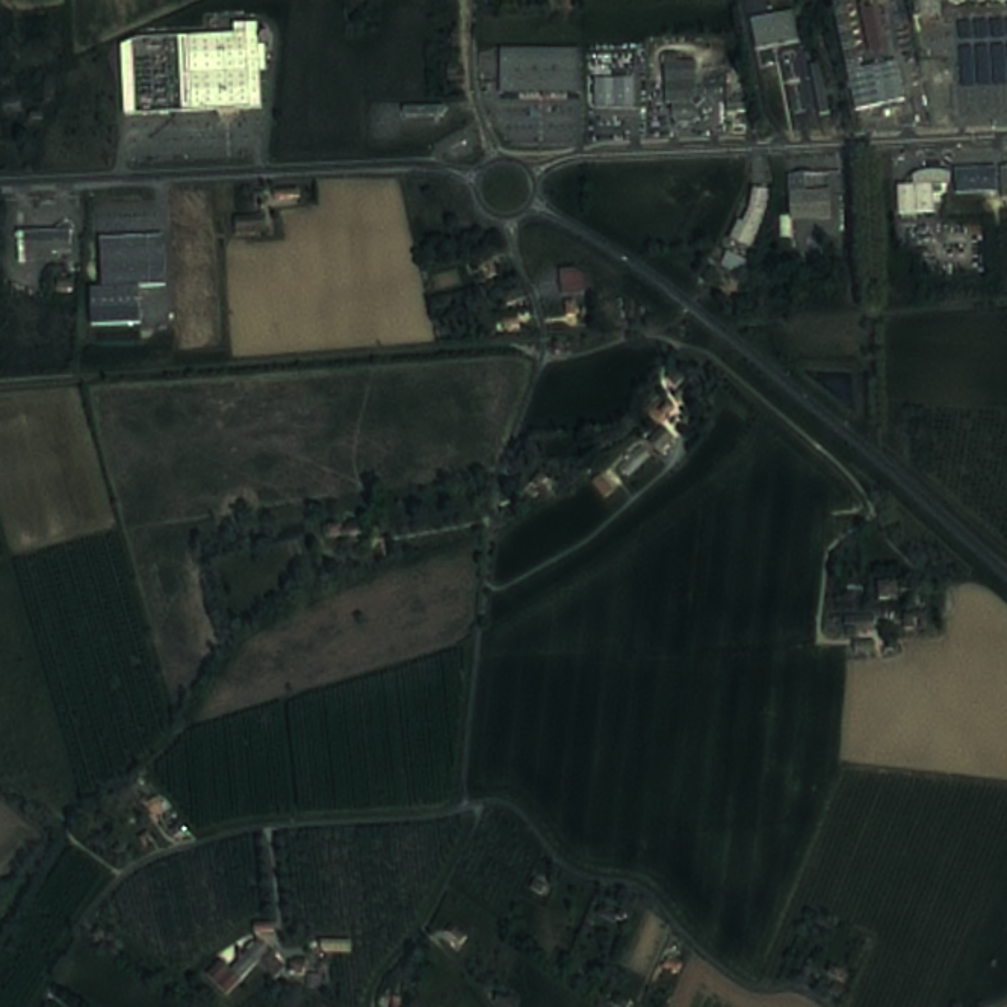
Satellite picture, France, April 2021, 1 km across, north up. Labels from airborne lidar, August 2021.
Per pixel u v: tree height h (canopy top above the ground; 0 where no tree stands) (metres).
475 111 0
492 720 0
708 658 0
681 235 0
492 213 0
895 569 11
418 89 0
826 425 0
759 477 0
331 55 0
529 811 0
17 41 8
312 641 0
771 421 0
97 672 7
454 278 0
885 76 0
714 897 0
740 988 0
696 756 0
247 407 0
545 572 0
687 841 0
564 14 10
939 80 0
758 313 12
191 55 0
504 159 0
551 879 11
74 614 7
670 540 0
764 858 0
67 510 0
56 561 6
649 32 7
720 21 0
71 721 7
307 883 7
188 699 18
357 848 6
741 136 0
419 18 0
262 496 0
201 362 0
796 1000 0
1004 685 0
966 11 0
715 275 16
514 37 0
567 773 0
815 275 17
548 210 0
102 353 0
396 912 6
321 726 8
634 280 0
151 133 0
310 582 26
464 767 0
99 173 0
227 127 0
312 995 8
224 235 0
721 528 0
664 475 0
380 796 7
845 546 13
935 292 11
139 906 7
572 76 0
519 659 0
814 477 0
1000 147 0
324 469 0
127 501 0
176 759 7
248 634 23
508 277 11
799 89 0
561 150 0
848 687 0
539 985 0
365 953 6
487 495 21
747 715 0
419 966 16
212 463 0
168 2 0
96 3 0
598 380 0
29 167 9
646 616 0
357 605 0
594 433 10
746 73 23
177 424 0
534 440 14
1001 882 0
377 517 15
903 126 0
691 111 0
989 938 0
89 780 7
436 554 0
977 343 0
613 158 0
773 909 0
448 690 9
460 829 7
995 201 0
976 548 0
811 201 0
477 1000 0
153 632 13
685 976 0
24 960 9
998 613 0
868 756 0
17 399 0
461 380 0
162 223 0
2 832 0
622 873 0
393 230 0
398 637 0
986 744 0
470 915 0
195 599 0
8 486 0
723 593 0
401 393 0
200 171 0
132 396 0
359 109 0
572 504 0
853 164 22
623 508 0
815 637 0
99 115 8
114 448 0
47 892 9
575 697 0
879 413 14
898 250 14
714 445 0
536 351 0
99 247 0
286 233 0
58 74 7
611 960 7
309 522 13
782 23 0
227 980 0
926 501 0
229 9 0
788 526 0
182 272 8
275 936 0
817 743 0
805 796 0
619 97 0
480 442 0
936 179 0
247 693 0
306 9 0
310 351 0
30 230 0
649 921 0
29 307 0
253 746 7
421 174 0
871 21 0
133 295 0
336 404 0
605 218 0
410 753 9
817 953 9
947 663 0
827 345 0
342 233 0
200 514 0
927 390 0
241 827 0
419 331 0
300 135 0
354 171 0
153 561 0
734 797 0
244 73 0
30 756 0
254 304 0
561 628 0
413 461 0
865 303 23
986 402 0
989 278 8
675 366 13
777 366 0
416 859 6
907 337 0
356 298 0
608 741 0
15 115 11
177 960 7
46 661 6
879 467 0
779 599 0
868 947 6
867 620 0
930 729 0
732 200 0
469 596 0
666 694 0
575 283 0
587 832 0
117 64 0
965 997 0
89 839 10
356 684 6
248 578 0
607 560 0
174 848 0
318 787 7
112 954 15
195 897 6
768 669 0
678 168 0
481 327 9
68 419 0
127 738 7
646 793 0
